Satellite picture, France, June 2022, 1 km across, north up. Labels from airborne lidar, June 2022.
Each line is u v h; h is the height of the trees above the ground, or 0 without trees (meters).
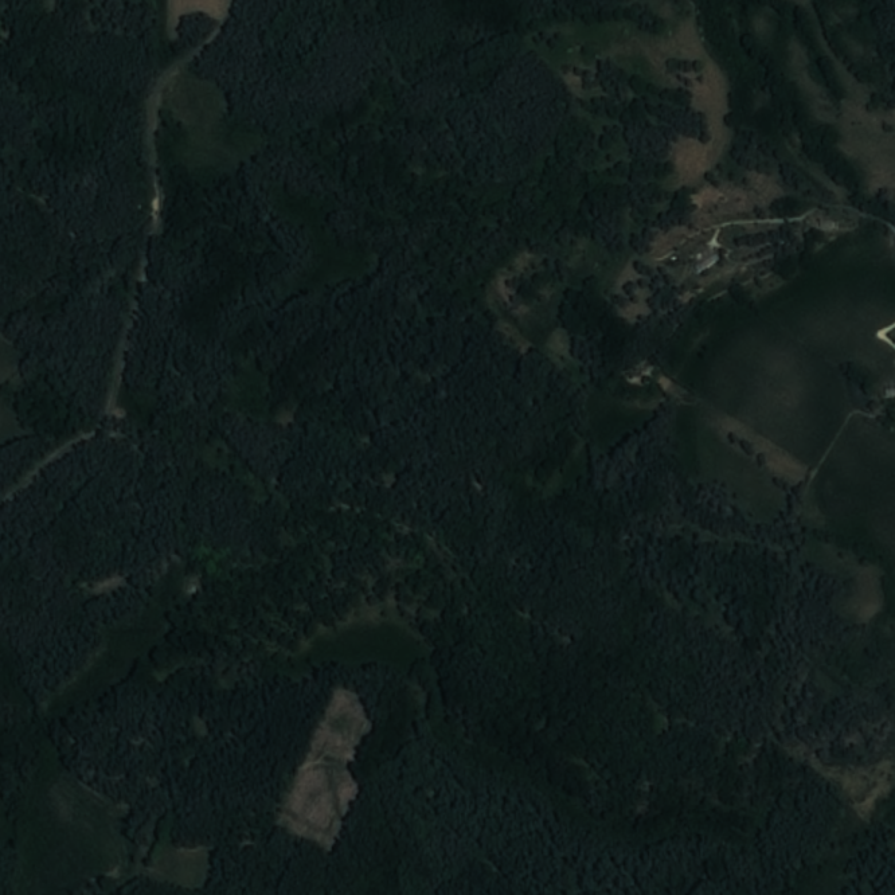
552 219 8
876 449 0
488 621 20
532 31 16
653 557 31
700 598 34
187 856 0
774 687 16
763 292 0
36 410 15
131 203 15
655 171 11
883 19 17
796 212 11
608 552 19
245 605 11
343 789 0
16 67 20
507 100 26
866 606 0
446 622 17
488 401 28
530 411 27
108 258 19
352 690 18
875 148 0
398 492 21
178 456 24
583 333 9
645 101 15
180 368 25
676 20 0
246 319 34
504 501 25
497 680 23
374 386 28
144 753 20
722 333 0
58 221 20
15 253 15
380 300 20
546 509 16
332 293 16
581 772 20
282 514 14
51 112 23
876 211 15
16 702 9
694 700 20
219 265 21
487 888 28
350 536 13
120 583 0
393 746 26
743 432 0
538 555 15
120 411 0
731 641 8
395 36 24
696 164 0
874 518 0
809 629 21
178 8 0
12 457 26
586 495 10
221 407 22
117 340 22
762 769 8
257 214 16
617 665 17
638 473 22
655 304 18
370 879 27
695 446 0
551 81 23
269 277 29
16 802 17
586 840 20
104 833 0
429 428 32
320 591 13
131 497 19
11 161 11
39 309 7
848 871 13
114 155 32
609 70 20
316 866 32
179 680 21
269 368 23
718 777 6
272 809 25
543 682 17
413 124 21
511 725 22
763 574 17
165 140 10
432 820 32
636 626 15
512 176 23
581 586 22
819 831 22
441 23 25
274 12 24
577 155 18
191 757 17
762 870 14
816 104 0
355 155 23
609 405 0
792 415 0
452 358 31
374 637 0
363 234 18
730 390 0
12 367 0
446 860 22
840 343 0
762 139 12
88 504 22
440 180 7
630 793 15
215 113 0
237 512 25
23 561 25
